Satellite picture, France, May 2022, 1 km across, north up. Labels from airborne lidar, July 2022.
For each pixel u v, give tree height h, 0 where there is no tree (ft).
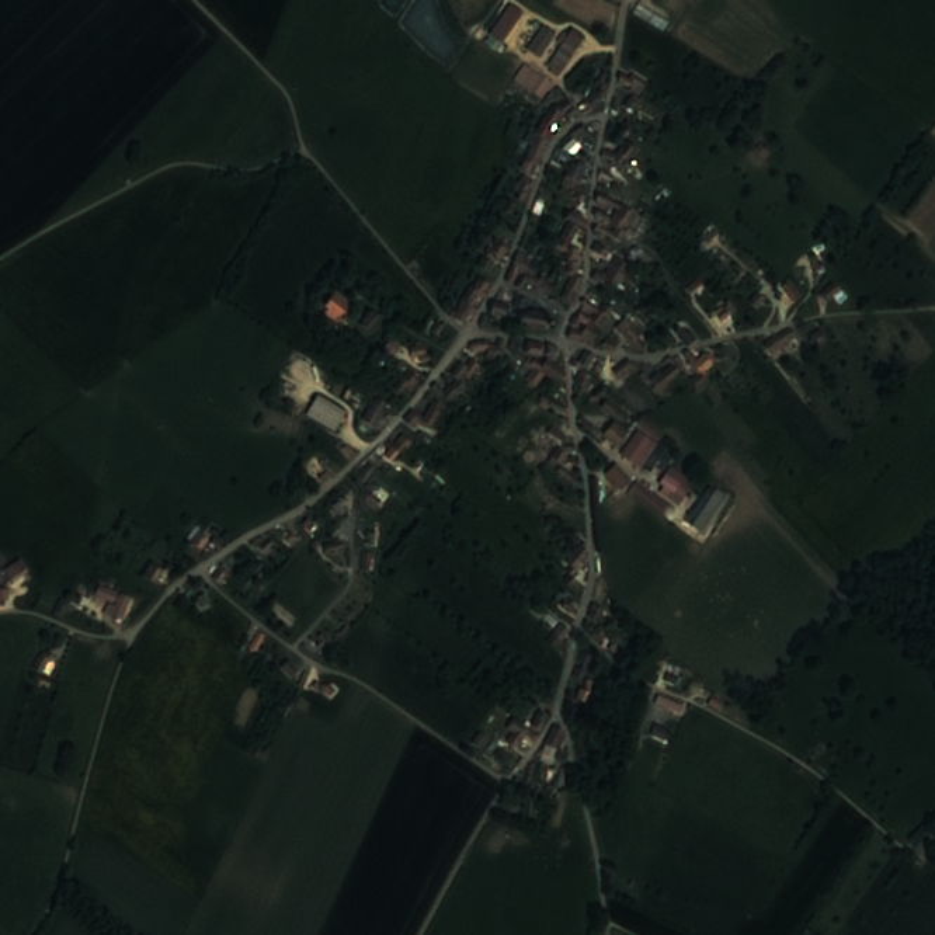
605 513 0
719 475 0
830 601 0
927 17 0
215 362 0
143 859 0
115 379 0
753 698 80
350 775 0
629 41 0
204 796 0
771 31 0
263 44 0
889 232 0
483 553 24
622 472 0
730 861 0
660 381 0
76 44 0
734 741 0
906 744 0
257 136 0
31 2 0
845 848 0
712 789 0
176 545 18
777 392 0
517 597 39
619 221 0
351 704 0
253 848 0
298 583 0
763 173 0
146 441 0
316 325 55
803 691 0
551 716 26
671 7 0
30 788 0
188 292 0
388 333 34
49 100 0
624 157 0
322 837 0
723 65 0
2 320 0
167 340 0
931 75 0
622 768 39
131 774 0
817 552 0
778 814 0
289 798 0
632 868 0
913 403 0
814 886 0
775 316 0
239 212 0
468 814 0
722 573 0
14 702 0
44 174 0
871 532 0
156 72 0
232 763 0
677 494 0
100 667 0
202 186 0
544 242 59
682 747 0
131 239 0
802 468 0
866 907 0
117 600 0
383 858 0
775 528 0
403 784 0
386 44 0
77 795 0
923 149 23
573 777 66
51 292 0
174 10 0
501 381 44
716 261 22
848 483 0
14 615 0
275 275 0
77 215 0
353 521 0
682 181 0
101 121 0
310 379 0
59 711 0
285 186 28
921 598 88
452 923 0
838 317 0
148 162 0
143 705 0
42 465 0
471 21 0
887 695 0
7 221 0
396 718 0
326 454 0
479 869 0
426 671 0
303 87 0
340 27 0
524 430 0
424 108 0
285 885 0
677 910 0
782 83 0
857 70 0
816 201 0
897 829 0
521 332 56
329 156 0
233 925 0
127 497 0
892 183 19
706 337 0
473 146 0
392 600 0
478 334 0
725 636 0
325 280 42
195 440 0
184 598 29
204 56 0
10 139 0
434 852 0
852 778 0
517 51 0
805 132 0
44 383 0
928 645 95
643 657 67
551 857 0
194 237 0
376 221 0
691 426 0
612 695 83
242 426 0
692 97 0
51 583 0
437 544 0
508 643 0
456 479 0
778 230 0
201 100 0
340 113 0
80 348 0
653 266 27
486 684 32
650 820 0
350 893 0
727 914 0
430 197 0
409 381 0
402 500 0
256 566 27
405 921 0
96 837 0
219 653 0
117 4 0
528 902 0
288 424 0
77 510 0
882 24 0
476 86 0
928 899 0
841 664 0
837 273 0
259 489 0
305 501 0
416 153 0
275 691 26
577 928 0
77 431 0
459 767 0
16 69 0
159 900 0
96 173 0
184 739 0
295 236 0
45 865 0
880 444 0
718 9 0
